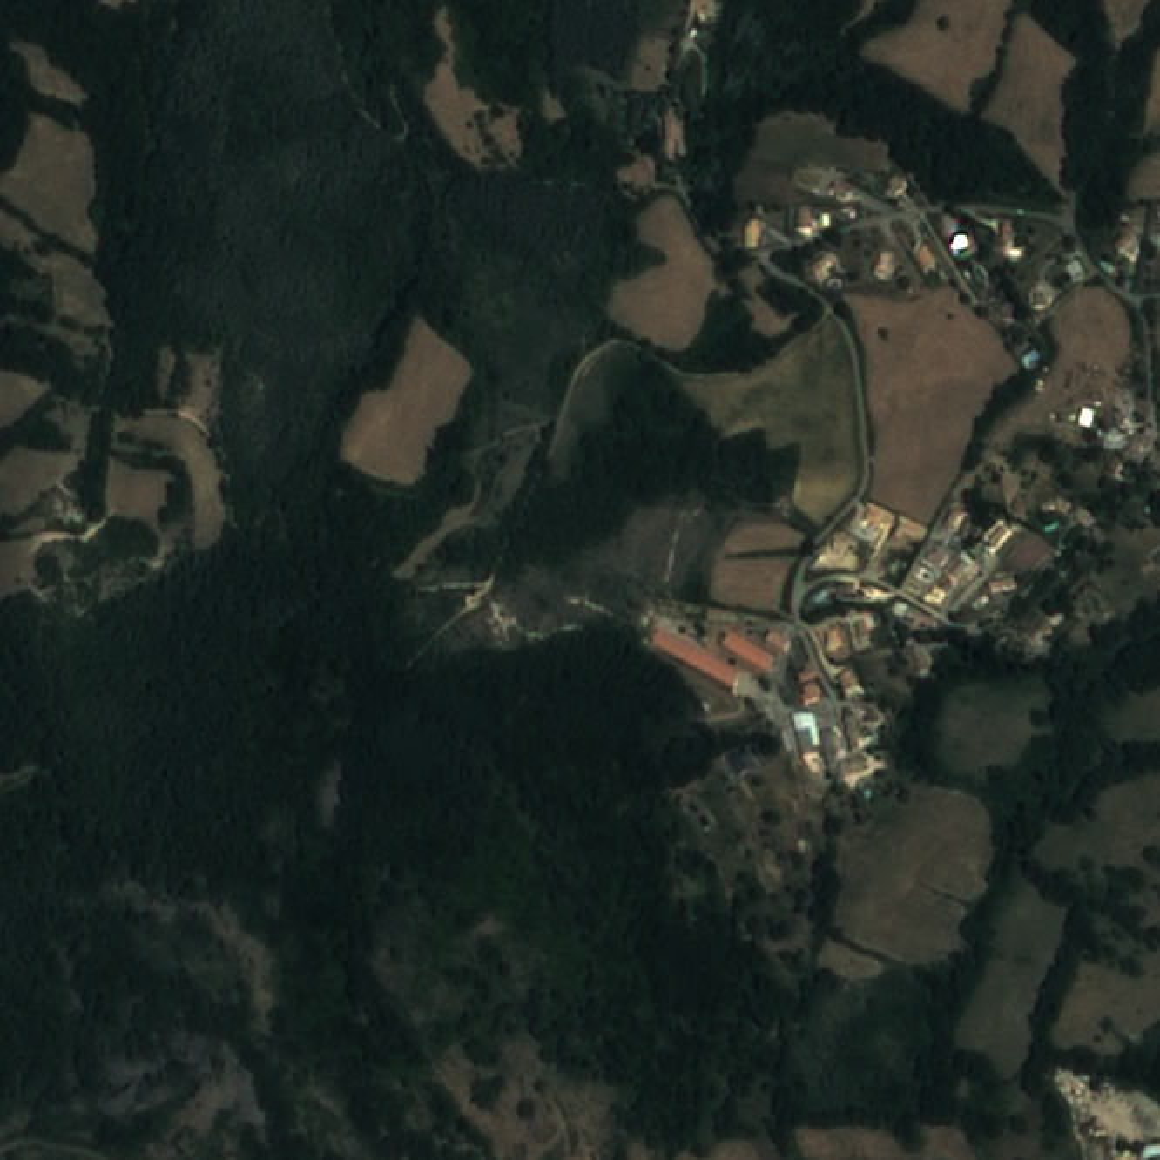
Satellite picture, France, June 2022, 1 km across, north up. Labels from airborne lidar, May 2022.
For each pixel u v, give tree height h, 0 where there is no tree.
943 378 0
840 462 0
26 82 6
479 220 13
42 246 12
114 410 8
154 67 8
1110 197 15
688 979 11
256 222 12
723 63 8
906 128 20
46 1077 9
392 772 17
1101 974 0
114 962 12
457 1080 0
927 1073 18
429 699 14
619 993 7
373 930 14
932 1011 14
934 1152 0
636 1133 9
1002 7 0
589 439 12
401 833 12
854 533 0
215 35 15
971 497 11
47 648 12
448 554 8
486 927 0
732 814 0
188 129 14
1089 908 9
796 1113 13
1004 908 0
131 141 9
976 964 15
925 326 0
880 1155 0
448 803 11
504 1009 9
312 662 9
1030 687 0
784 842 0
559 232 8
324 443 9
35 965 13
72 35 16
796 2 20
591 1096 0
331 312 10
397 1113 7
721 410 0
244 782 16
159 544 6
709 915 7
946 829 0
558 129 8
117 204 12
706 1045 7
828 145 0
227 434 8
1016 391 13
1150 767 12
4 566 0
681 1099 8
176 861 12
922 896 0
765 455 11
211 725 15
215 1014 10
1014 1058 0
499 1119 0
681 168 7
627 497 8
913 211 0
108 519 6
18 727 14
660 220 0
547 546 13
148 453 6
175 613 13
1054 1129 11
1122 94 10
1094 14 16
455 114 0
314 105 14
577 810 14
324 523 16
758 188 0
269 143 13
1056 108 0
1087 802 14
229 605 17
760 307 0
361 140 12
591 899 10
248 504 11
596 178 8
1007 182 11
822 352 0
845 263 0
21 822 13
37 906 10
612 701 14
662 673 13
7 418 0
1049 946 0
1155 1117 0
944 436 0
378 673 18
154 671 11
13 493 0
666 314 0
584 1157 0
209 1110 0
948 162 19
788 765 0
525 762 13
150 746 14
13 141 8
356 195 12
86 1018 11
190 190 15
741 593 0
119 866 14
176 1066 9
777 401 0
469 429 11
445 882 7
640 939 9
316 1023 6
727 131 18
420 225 11
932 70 0
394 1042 14
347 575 14
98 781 9
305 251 14
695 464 10
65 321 7
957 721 0
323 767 9
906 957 0
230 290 16
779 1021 15
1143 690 11
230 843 17
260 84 13
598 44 14
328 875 7
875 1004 10
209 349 10
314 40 10
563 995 12
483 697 13
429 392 0
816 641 0
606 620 7
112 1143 6
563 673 9
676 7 0
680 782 16
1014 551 0
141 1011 8
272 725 8
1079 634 0
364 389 13
